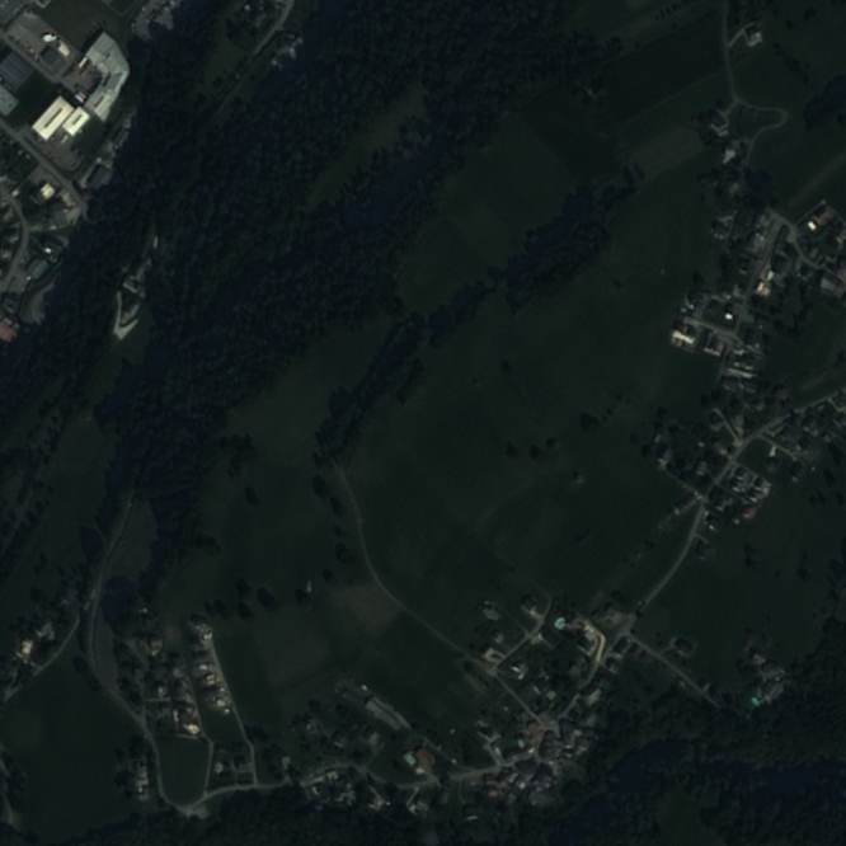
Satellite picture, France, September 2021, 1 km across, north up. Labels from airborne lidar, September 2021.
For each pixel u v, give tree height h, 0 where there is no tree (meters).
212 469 14
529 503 0
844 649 23
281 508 0
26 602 0
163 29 0
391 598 0
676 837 0
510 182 0
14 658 0
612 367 0
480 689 0
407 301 0
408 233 23
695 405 0
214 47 14
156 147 23
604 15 0
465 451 0
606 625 0
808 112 0
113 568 0
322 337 16
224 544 0
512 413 0
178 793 0
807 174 0
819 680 20
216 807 0
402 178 0
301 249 17
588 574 0
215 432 19
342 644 0
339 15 8
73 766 0
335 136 28
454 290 0
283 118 28
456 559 0
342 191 0
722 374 0
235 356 24
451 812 0
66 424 13
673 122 0
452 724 0
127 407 25
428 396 0
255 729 0
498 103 16
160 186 16
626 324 0
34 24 0
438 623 0
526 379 0
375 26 28
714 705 13
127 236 22
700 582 0
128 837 16
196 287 21
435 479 0
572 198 0
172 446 29
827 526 0
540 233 0
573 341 0
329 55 28
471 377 0
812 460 0
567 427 0
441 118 16
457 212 0
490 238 0
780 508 0
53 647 7
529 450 0
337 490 0
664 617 0
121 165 7
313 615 0
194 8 10
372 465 0
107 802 0
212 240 20
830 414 6
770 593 0
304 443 0
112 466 0
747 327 0
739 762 35
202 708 0
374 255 23
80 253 19
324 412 0
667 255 0
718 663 0
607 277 0
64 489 0
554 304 0
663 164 0
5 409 19
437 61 20
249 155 26
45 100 0
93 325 18
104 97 0
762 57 0
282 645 0
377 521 0
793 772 24
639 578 0
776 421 0
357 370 0
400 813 14
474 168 0
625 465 0
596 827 39
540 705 10
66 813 0
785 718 19
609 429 0
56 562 0
